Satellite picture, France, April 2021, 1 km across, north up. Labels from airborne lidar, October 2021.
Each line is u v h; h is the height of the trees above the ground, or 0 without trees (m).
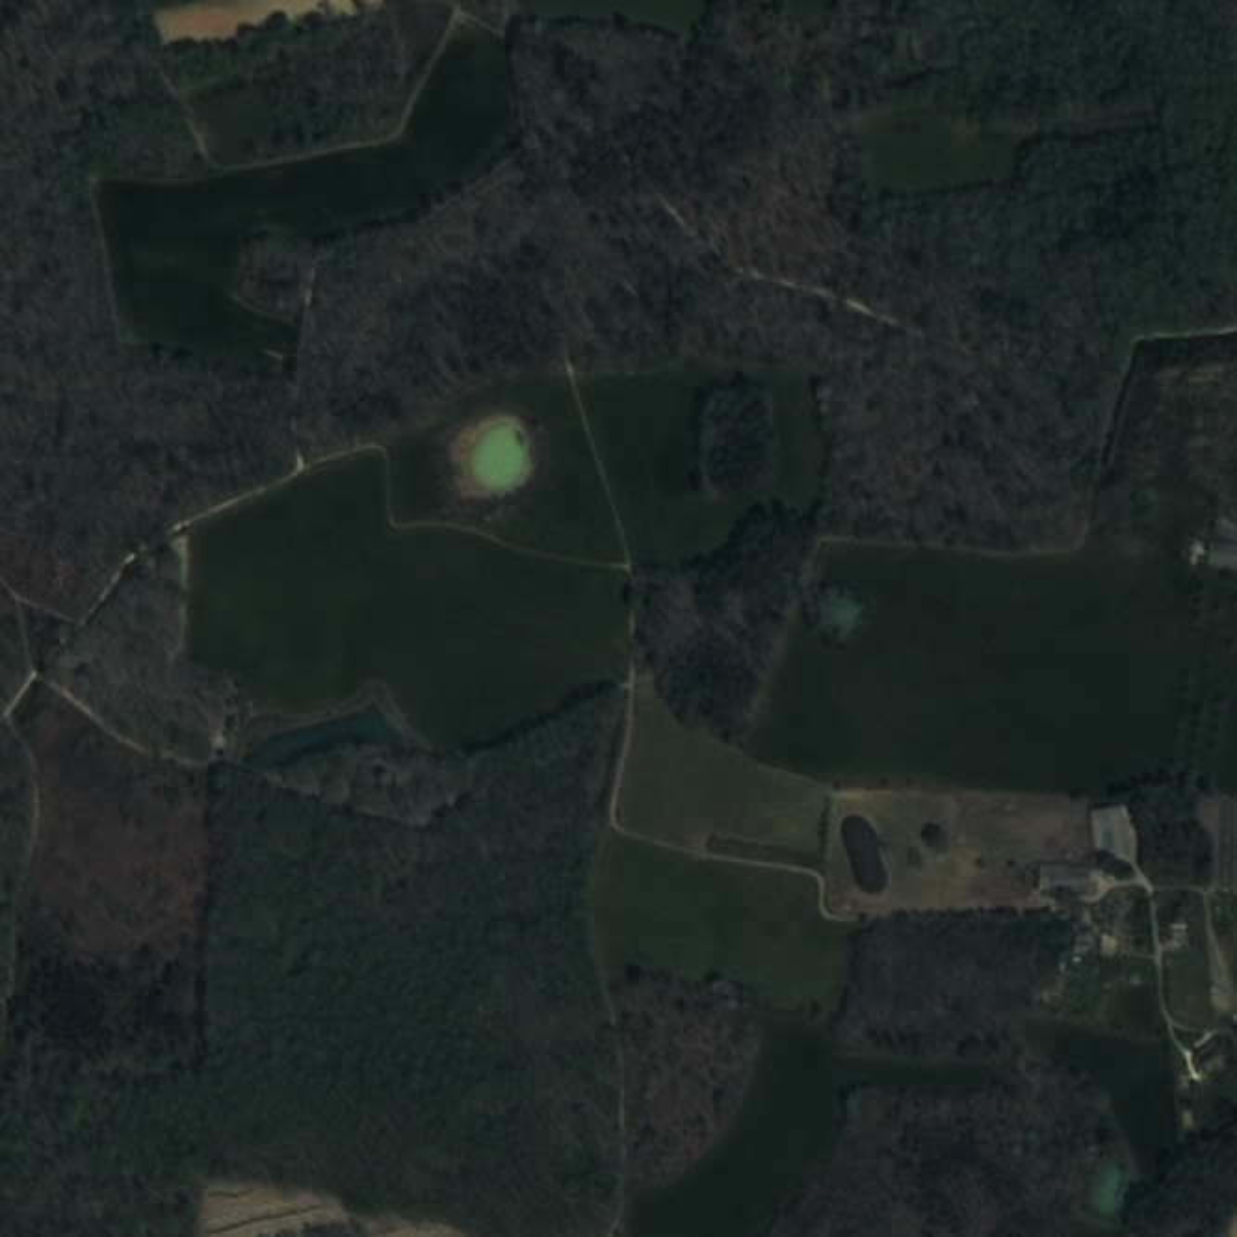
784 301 16
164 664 19
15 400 12
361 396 19
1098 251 19
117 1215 21
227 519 0
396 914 22
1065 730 0
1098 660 0
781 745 0
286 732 0
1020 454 20
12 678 23
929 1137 8
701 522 0
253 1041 25
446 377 19
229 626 0
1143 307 22
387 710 0
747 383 0
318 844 25
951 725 0
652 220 17
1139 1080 0
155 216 0
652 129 21
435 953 23
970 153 0
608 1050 17
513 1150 21
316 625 0
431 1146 25
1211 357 8
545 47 10
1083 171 16
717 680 27
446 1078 27
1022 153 8
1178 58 22
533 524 0
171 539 14
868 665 0
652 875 0
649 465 0
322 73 9
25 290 18
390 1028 27
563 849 26
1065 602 0
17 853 17
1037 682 0
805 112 22
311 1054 25
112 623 19
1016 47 14
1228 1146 16
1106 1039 0
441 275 15
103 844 0
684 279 14
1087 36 19
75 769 0
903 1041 10
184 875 12
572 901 24
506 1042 21
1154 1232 24
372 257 18
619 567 0
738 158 31
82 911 0
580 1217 20
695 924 0
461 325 21
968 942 11
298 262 18
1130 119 6
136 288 0
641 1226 0
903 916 10
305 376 21
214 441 16
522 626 0
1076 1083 15
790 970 0
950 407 17
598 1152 23
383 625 0
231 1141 20
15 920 18
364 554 0
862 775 0
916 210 9
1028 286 21
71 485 16
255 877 26
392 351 21
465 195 16
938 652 0
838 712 0
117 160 20
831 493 10
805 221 7
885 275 16
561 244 18
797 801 0
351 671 0
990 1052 11
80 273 17
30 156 17
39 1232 18
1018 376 24
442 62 0
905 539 7
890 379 18
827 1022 12
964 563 0
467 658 0
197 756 19
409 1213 23
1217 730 7
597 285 21
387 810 18
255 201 0
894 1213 11
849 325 8
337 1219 0
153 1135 22
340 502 0
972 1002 13
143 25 12
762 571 25
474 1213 25
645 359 24
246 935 24
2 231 11
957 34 20
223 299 0
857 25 16
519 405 0
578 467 0
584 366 17
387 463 0
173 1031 15
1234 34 21
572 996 23
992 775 0
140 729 20
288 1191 22
